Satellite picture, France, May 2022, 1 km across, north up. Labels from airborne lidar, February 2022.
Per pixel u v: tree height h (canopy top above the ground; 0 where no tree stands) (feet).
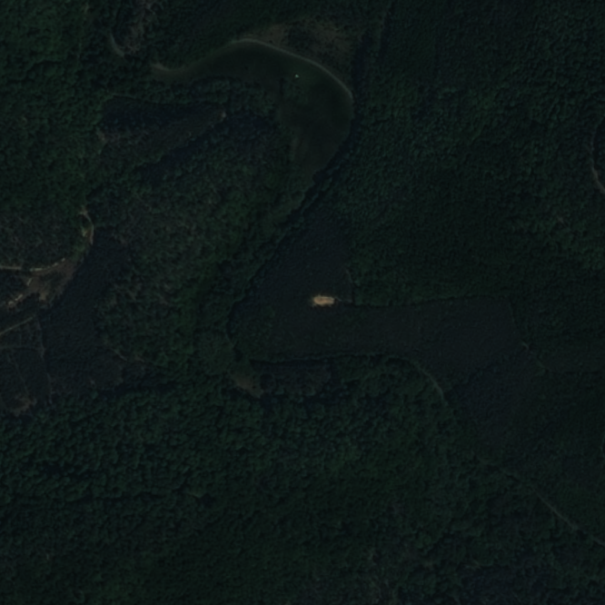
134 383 53
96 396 79
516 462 56
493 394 75
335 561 53
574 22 81
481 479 74
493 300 78
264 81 0
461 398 97
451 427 81
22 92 99
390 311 68
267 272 76
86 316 54
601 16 95
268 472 69
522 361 70
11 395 25
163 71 0
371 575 81
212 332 68
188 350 92
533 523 99
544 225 86
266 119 31
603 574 64
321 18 33
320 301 0
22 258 101
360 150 80
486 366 73
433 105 80
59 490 103
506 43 88
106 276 57
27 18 96
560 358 52
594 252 85
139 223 97
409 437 92
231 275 63
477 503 77
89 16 0
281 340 58
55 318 57
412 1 76
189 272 91
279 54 0
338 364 81
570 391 77
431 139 85
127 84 68
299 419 110
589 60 99
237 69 0
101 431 109
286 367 84
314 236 69
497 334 60
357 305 64
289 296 58
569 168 73
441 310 69
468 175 0
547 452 52
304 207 29
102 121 21
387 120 106
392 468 77
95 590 85
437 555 93
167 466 99
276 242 42
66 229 95
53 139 84
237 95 64
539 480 59
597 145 54
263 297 57
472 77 82
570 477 57
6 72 106
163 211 91
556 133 80
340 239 68
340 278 62
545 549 72
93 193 115
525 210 89
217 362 36
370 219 79
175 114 21
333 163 32
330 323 60
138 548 85
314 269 63
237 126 83
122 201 100
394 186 85
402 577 76
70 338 52
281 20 37
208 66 0
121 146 86
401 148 92
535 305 72
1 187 83
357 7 58
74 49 98
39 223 101
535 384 53
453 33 86
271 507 100
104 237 50
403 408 81
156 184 104
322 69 0
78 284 57
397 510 95
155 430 104
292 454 96
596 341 58
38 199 83
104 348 43
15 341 22
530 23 69
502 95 74
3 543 100
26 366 28
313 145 0
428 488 105
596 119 79
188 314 122
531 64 85
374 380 78
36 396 26
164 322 102
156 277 73
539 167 93
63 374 73
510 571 95
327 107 0
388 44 80
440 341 63
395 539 94
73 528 80
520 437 66
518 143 85
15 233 98
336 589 87
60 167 78
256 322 70
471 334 58
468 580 86
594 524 52
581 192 80
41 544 90
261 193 111
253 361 82
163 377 48
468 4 91
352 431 110
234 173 94
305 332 60
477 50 81
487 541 75
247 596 92
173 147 29
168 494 96
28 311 28
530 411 61
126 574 83
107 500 108
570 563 85
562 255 72
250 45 0
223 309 44
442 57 83
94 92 72
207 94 82
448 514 86
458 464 70
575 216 81
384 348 71
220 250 96
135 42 31
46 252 88
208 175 95
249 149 80
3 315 23
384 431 94
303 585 96
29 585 58
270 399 83
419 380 72
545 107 80
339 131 0
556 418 68
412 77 96
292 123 0
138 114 52
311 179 0
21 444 102
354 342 71
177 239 83
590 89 94
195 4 50
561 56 77
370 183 97
